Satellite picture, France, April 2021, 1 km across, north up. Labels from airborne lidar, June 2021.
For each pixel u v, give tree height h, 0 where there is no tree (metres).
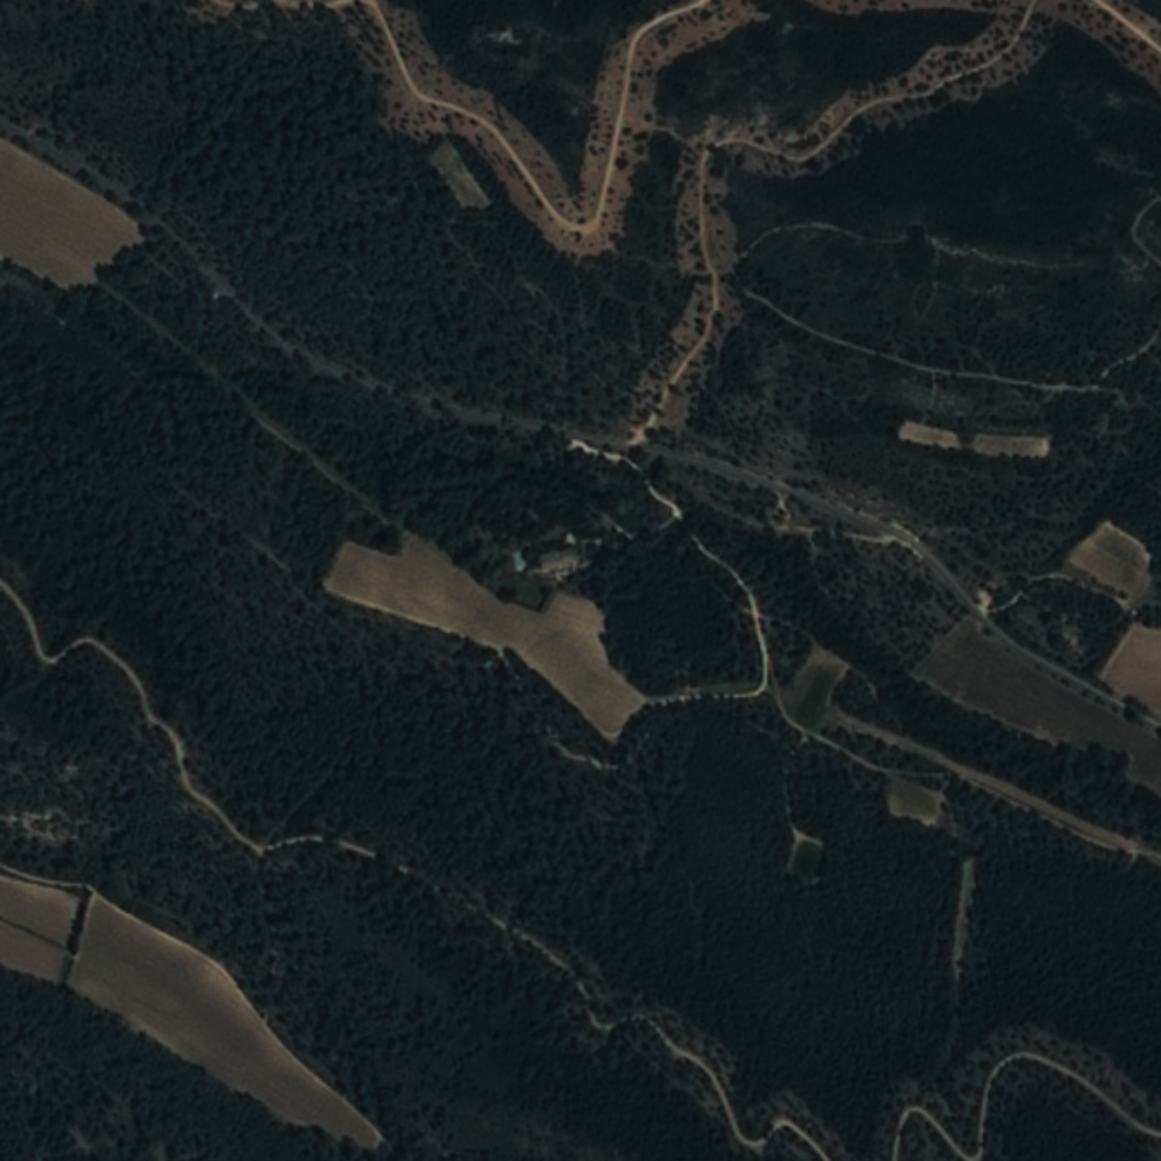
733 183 0
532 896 13
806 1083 8
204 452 18
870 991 8
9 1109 7
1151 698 0
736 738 8
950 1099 9
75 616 13
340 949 11
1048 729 0
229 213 16
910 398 0
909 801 0
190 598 17
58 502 13
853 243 0
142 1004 0
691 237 8
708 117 0
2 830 10
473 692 16
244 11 13
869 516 0
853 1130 8
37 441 13
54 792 10
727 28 0
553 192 0
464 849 15
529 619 0
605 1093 9
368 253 14
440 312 15
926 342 7
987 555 10
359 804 14
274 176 12
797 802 8
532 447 8
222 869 11
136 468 13
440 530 16
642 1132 6
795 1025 8
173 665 14
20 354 6
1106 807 16
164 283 14
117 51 10
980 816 11
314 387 18
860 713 6
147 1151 9
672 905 10
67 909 0
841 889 10
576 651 0
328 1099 0
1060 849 9
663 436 8
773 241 0
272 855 9
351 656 16
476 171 7
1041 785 7
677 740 15
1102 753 14
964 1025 7
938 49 0
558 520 8
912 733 7
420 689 21
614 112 0
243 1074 0
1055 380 8
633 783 15
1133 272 0
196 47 15
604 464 21
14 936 0
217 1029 0
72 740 7
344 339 18
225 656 18
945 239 0
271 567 13
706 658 11
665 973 7
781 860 11
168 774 8
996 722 7
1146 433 6
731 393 6
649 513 6
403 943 8
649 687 6
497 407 16
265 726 18
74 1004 19
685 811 11
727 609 10
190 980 0
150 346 13
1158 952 7
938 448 7
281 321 15
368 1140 0
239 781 12
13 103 9
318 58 15
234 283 10
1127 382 8
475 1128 0
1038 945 6
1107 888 7
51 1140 8
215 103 14
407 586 0
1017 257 0
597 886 9
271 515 11
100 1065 12
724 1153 7
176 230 9
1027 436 0
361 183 15
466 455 19
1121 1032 7
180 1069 15
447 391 14
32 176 0
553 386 12
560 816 12
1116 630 9
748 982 8
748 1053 10
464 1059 6
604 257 7
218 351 15
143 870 13
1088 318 6
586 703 0
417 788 13
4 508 11
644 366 9
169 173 17
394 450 15
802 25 0
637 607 10
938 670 0
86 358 14
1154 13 0
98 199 0
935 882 9
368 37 10
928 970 10
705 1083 7
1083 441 7
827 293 0
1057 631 13
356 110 15
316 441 13
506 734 17
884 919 7
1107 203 0
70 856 17
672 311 8
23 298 13
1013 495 7
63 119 16
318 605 14
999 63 0
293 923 17
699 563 10
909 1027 9
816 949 9
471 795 16
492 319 11
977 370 8
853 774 8
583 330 13
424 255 12
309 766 17
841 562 8
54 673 8
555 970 14
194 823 11
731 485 7
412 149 7
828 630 7
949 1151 9
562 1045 14
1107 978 6
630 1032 11
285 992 13
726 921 10
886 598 7
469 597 0
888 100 0
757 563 13
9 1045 10
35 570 8
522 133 0
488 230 7
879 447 0
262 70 14
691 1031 8
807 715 0
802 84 0
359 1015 8
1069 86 0
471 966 13
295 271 13
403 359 18
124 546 15
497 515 6
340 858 9
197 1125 11
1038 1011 7
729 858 8
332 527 15
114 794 13
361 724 21
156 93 6
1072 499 11
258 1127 15
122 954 0
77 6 10
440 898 13
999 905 10
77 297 15
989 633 6
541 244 7
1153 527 8
